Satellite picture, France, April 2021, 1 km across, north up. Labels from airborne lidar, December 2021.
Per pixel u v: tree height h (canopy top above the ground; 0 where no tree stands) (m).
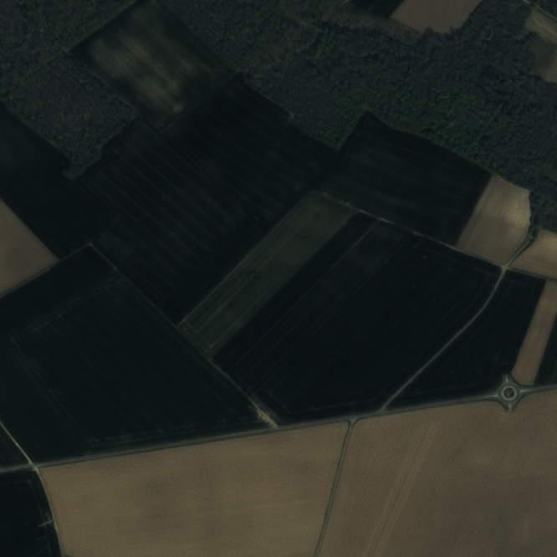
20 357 0
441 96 12
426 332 0
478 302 0
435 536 0
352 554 0
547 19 0
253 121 0
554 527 0
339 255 0
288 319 0
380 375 0
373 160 0
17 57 12
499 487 0
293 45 23
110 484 0
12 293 0
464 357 0
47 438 0
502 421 0
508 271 0
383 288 0
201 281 0
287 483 0
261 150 0
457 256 0
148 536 0
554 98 9
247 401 0
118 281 0
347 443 0
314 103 8
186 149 0
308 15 25
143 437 0
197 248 0
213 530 0
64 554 0
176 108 0
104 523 0
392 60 17
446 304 0
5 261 0
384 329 0
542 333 0
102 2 8
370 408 0
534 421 0
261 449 0
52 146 0
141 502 0
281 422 0
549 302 0
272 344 0
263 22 20
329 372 0
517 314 0
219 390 0
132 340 0
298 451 0
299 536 0
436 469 0
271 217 0
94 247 0
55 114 23
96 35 0
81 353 0
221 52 11
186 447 0
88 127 19
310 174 0
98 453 0
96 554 0
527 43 12
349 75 15
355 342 0
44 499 0
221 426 0
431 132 13
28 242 0
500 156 13
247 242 0
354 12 6
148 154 0
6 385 0
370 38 18
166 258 0
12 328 0
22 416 0
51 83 21
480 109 8
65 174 12
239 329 0
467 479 0
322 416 0
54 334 0
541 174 20
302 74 13
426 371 0
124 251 0
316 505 0
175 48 0
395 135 0
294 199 0
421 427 0
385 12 0
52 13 9
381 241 0
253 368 0
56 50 18
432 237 0
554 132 14
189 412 0
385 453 0
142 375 0
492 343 0
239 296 0
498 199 0
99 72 0
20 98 20
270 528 0
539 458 0
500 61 10
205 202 0
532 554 0
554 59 0
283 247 0
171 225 0
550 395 0
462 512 0
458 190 0
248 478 0
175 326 0
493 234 0
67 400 0
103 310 0
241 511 0
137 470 0
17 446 0
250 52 18
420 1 0
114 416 0
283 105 7
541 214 19
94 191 0
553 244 0
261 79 12
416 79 19
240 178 0
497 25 14
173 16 0
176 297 0
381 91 21
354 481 0
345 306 0
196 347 0
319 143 0
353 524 0
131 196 0
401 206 0
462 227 0
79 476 0
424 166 0
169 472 0
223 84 0
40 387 0
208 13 18
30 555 0
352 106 11
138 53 0
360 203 0
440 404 0
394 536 0
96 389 0
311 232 0
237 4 21
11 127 0
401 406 0
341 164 0
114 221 0
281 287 0
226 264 0
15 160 0
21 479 0
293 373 0
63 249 0
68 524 0
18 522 0
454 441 0
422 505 0
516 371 0
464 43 18
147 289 0
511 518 0
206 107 0
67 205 0
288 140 0
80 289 0
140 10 0
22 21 15
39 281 0
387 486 0
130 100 0
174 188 0
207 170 0
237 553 0
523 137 7
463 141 7
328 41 20
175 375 0
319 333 0
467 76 8
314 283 0
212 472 0
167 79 0
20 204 0
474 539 0
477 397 0
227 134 0
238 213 0
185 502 0
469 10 0
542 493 0
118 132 16
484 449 0
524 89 16
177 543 0
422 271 0
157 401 0
